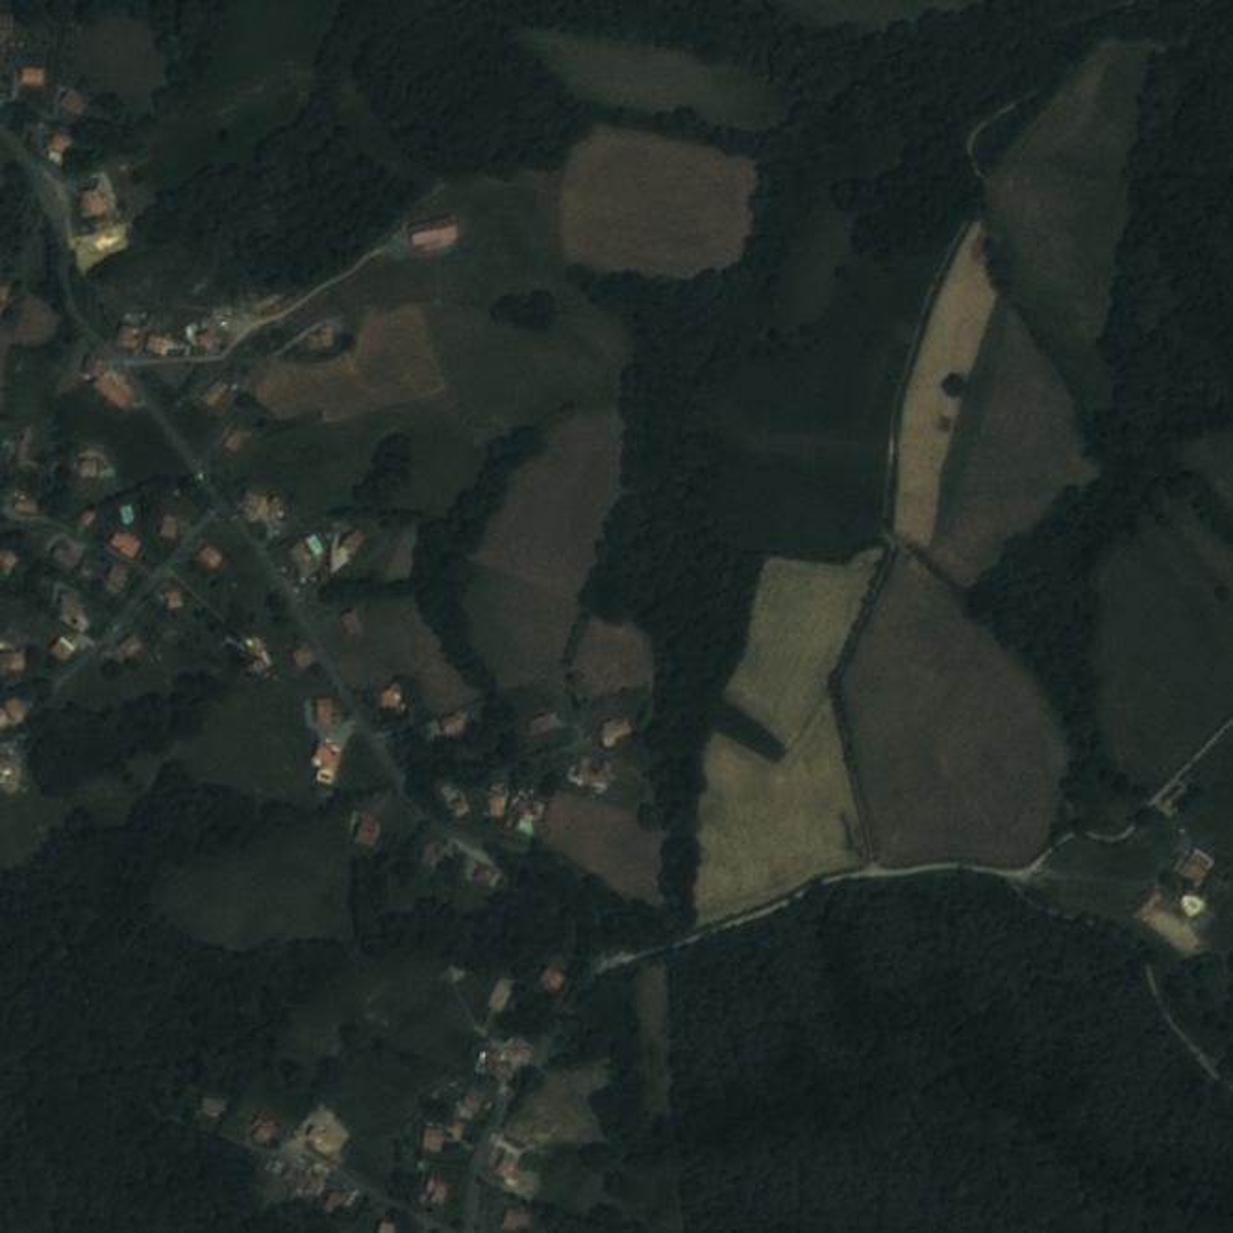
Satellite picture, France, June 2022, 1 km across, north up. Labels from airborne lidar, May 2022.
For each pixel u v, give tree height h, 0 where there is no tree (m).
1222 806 0
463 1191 0
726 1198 7
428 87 16
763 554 6
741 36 8
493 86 21
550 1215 22
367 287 0
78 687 0
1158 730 0
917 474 0
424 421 0
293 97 0
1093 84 0
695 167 0
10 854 0
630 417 22
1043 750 0
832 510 0
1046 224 0
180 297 0
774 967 24
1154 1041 27
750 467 0
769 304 18
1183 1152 19
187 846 25
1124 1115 23
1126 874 0
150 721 23
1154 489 6
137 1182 24
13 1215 25
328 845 0
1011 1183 26
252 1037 14
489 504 12
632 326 9
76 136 16
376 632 0
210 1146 21
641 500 10
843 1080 22
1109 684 0
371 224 10
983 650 0
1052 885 0
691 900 18
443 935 25
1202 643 0
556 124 12
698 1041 25
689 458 23
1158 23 23
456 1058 0
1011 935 20
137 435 0
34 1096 21
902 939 25
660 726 17
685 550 18
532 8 14
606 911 18
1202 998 12
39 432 0
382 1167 0
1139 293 20
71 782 25
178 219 18
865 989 27
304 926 0
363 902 20
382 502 19
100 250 6
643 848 0
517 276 0
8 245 10
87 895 27
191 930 0
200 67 13
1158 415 24
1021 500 0
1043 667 9
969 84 16
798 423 0
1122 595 0
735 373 0
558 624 0
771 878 0
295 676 0
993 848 0
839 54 14
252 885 0
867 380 0
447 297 0
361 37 0
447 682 0
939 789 0
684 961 10
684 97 0
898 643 0
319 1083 14
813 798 0
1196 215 16
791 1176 22
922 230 15
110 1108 20
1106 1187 32
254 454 0
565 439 0
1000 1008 19
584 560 0
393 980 0
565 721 0
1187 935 0
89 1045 19
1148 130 18
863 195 20
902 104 7
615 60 0
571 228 0
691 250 0
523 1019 13
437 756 16
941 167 15
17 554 8
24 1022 23
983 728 0
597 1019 13
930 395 0
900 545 0
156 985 30
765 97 0
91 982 33
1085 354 0
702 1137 28
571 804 0
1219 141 25
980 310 0
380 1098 0
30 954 26
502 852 13
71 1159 20
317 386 0
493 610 0
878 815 0
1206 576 0
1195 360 22
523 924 28
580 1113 0
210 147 0
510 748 14
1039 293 0
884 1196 19
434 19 14
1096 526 22
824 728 0
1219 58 24
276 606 16
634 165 0
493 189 0
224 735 0
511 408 0
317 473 0
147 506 10
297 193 19
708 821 0
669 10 12
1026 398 0
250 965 22
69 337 11
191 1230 26
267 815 14
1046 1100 31
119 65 0
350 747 0
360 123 0
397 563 0
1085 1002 25
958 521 0
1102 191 0
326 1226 18
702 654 18
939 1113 24
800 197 21
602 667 0
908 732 0
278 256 22
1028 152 0
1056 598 13
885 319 0
